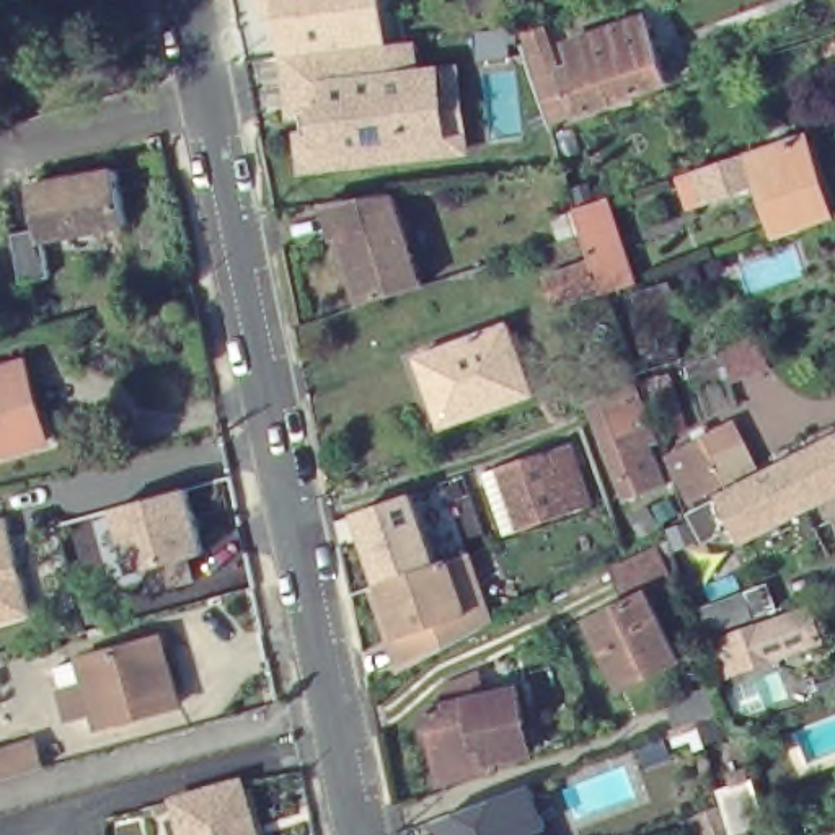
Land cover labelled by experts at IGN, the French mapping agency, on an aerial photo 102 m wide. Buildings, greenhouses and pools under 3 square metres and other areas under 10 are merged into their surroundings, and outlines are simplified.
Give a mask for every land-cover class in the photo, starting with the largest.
<instances>
[{"label":"building","instance_id":"1","mask_svg":"<svg viewBox=\"0 0 835 835\"><path fill-rule=\"evenodd\" d=\"M267 16L277 20V36L267 42L264 52H271V62L277 68L281 114L287 124H294V173L310 176L375 170L460 160L466 144L457 82L460 68H421L414 52V46L406 42L382 39L378 0H267ZM470 13L483 16L486 0H466ZM646 7H633L623 16L564 23L561 42H548L545 29L489 33H476L466 46L476 59L483 85L489 88L486 78L493 72H509L515 78V68L525 72L532 98L541 114V127L554 121L574 124L594 121L603 111L636 104L639 95L662 88V78L649 26L643 20ZM558 150L564 153H571V134L558 130ZM675 196L682 209H691L734 202L742 228H753L760 222L767 238H783L822 225L828 219V209H835V189L822 192L806 137H796L793 144H767L678 173ZM26 228L7 232L3 248L10 251L13 277L23 274L36 284H59L65 251H95L91 245H85V235L101 228H121V196L108 170L55 179H42V173H33L20 186ZM551 212L558 215L551 235L554 238H577L584 261L574 267L551 264L541 267L548 300H554L558 307H571L594 294H623L636 349L652 372L649 391H659L662 408L682 431L672 453L656 447L652 431L643 424V408L633 385L613 398L587 395L590 424L623 506L639 502V489L665 486L669 493L662 499L646 502L649 522L656 528L636 535L633 554L610 564L607 571L616 590L613 603L597 613H581L577 620L581 639L594 659V672L610 695L626 685H643L646 675L669 669L672 649L646 600V581L659 577L665 571L656 548L669 554H688L714 528L724 535L727 545H747L757 535H770L783 522H799L802 515L809 509L819 512L828 499H835V434L819 437L815 444L786 460L757 466L734 424L695 427L691 395L678 375L688 352L691 329L672 320V290L669 284L639 287L633 281L613 212L603 199H597L590 202L577 186H564L558 192V202H551ZM321 238L326 241V258L339 261L342 271L336 290L346 294L349 313L362 303L414 294L424 284L414 274L391 199L365 196L329 202L313 205ZM408 369L414 375L418 398L427 411L431 427L437 431L460 424L496 414L528 398V391L515 346L506 326H489L483 333L460 336L444 346L414 349L408 356ZM718 378L744 385L767 365V356L753 339L731 346L727 352H718ZM46 437L42 424L33 404L23 362L0 365V463L42 453ZM476 483L486 493L499 535L532 532L541 522H564L587 509V493L581 486L571 447H558L541 457L476 473ZM91 528L101 561L111 571V577L124 587L140 584L150 568L160 571L166 587L189 584V558L196 554L199 541L186 509V496L163 493L153 499L98 512ZM336 541L356 545L359 564L365 571V587L352 590V600L369 597L372 603L378 630V643L372 649L375 656H388L385 669L401 672L414 665L440 646L470 636L476 626L489 620V613L499 603L493 597V587L479 584L476 564L466 554L450 558L447 564L431 561L418 528L414 506L408 496H401L385 502L336 522ZM26 620V610L3 525L0 522V630L16 626ZM701 616L724 623L727 633H744L750 672H780L783 659L789 662L806 649H815V623L799 610L783 613L763 584H737L727 594H708ZM55 685H62L55 705L65 721L82 718L91 731H101L173 711L186 701L173 691L163 643L157 636H144L108 652L85 656L75 665H52ZM414 734L427 757L431 796H444L466 780L483 776L486 770L522 763L535 757V747L525 744L519 705L515 688L483 691L479 665L453 672L444 691L418 711ZM659 724H665L672 734L652 740L639 753V760L643 767H659L672 757L675 747L701 750H721L727 734L711 721V708L701 691L688 695L682 705H669L656 711ZM281 705L277 695L264 701L261 711L267 714ZM724 708L737 721L744 714L734 695L724 698ZM235 718L228 705L215 714L124 737L104 747H88L78 753H68L62 747L55 753V763L68 767L101 760L186 731L215 727ZM39 731L0 740V786L26 783L42 767L36 753ZM757 793L750 780H744L737 770L724 771V786L714 793L718 806L698 812L701 835H744V799ZM160 835H251L254 822L241 784L238 780L212 783L192 793L170 796L160 806ZM545 825L532 806L528 789H506V799L486 806H470L463 799L457 809L444 815L434 835H541Z\"/></svg>","mask_w":835,"mask_h":835},{"label":"impervious surface","instance_id":"2","mask_svg":"<svg viewBox=\"0 0 835 835\"><path fill-rule=\"evenodd\" d=\"M254 52L225 59L212 49L219 26L212 0H124L121 29L134 42H144L150 49L147 59H153L166 72V78L147 85V91L130 88L104 95L101 114L88 127H62L36 111L23 124L0 134V199L7 186H20L33 173H42L46 163H59L68 157L137 147L144 144L160 150L157 137L160 130H170V140L176 144V163L192 183L196 215L202 222L209 248L202 290L222 310L225 320V356H219L222 395L212 398V401L215 424L196 431L176 427L170 447H157L137 457L121 473H82L65 483L42 479L39 489H23L10 496V509L16 512L23 515L29 548L52 551L62 545L65 561L72 568H95L101 561L91 528L98 512L153 499L163 493L186 496V509L199 541L196 554L189 558V584L166 587L160 571L150 568L140 584L124 587L134 600V610L153 616L196 607L209 597L232 594V577H245L241 554L254 548L258 554H274L277 571L287 581L277 590H264L271 616L258 623L261 639L274 636L281 665L300 662L303 675L316 672V682L303 698L281 705L267 714L261 711L235 718L215 727L186 731L101 760L68 767L55 763L42 767L26 783L0 786V835H121L114 825L121 815H137L140 809L160 806L170 796L192 793L212 783L238 780L241 784L281 776H300V793H297L300 806H297V812L284 815L277 822H254L251 835H434L444 815L457 809L463 799L470 806H486L506 799V789H528L525 773H535L541 767L571 763L584 750L613 747L659 724L656 711L633 714L623 727L613 731L574 747L551 740L535 747V757L522 763L486 770L483 776L466 780L444 796H431L418 802L391 799L385 753L378 740L388 724H401L418 711L444 691L453 672L479 665H493L496 659H506L515 649V639L528 633L519 620L506 626L479 646H470L424 672L382 708H375L369 701V675L385 669L388 656H375L372 649H365L359 639L352 600V590L346 581V561L336 558V522L326 512V470L316 466L313 453L320 444L313 404L307 395V385L313 382L300 359L297 336L294 290L284 264V241L294 238V222L274 215L267 189L251 183L254 157L245 150L238 134V127L248 121L258 124V130H281L287 124L281 114L277 68L271 62V52H264L267 42L277 36V20L267 16V0H241ZM382 39L406 42L404 20L398 13V0H378ZM802 0H767L760 7L731 13V26H734L770 13H783L786 7H796ZM643 20L649 26L662 78H682L691 42L701 36H714L721 29L718 23H701L698 29H691L678 13L665 10L646 7ZM414 274L424 284H437L450 261L440 215L427 196H411L401 189L391 199ZM85 245H91L95 251H124L121 228H101L85 235ZM401 496H408L414 506L418 528L431 561L447 564L450 558L466 554L463 538L470 535L460 519H450V502L437 496V483L431 476L398 483ZM665 571H675L691 610L701 616L708 594L705 581H737L740 564L734 558V545H727L724 535L714 528L688 554H669L656 548ZM616 590L607 571L587 574L568 590H561L554 594V600L561 613H571L577 620L581 613H597L613 603ZM796 773L825 770L835 767V750L806 757L802 747H789V753Z\"/></svg>","mask_w":835,"mask_h":835},{"label":"herbaceous vegetation","instance_id":"3","mask_svg":"<svg viewBox=\"0 0 835 835\"><path fill-rule=\"evenodd\" d=\"M406 42L414 46V52L431 39H437L440 46H466L476 33H489L483 26V16L470 13L466 0H440L437 13L427 23L404 20ZM767 0H672V7L665 10L678 13L691 29H698L701 23H718L721 29L731 26V13L760 7ZM744 36L740 55L734 62L753 68L763 85V98L757 104H727V95L708 98L701 104L695 95L678 108L672 95L662 88L639 95L636 104L643 111L626 144L636 157H643L649 166L662 173L669 170V157L678 147V137H701L708 124L721 137L744 144L753 134V121L763 114L773 127L767 144H793L796 137H806L822 192L835 189V134L828 127L793 124L786 72L802 49L815 59L835 55V0H802L796 7H786L783 13H770L734 26ZM522 130L519 137L486 144H466L460 160H519L548 157L558 150V130L571 134L574 124L554 121L541 127V114L532 98L525 72L515 68V78ZM294 124H287L281 130H258L267 163V189L274 215L294 222V238H321L313 205L329 202L333 192L346 189V183L372 176L375 170L310 176L294 173ZM144 153L137 147L68 157L59 163H46L42 173V179H55L108 170L121 196V228H137L147 209V170L140 166ZM564 186H577L590 202L597 199V183L590 176H581V157L571 153H564L558 170L541 166L493 176L483 199H473L460 209L450 205L440 215L450 261L437 284H424L414 294L362 303L349 313H329L326 329L342 346L329 359H300L313 382L307 385V395L313 404L320 444L349 427V466L346 473L326 476V493L339 499L349 483H362L369 470L365 453L372 450L369 418L391 404L418 398L414 375L408 369V356L414 349L444 346L460 336L483 333L489 326H506L515 346L522 339L538 336L548 356L561 352V333L554 329V320H564L571 307H558L554 300H548L541 267L538 258L532 267L499 281L483 271V258L499 245L525 241L532 235H551L558 215L551 212V202H558V192ZM691 220V209H682L678 219L639 232L649 261H662V245L685 230ZM584 261L577 238H554L551 264L574 267ZM835 264V251L815 245L802 254L799 277L773 284L760 294L767 300H789L806 290H822ZM95 251H65L59 284H36L23 274L13 277L10 251L3 248H0V365L23 362V349L46 346L55 359V369L75 365L78 372H85L78 365L82 346L75 342V323H49V316L55 303H62V310H98L101 300L111 297L114 284L91 271ZM124 290L137 294L147 310H160L163 303H170L163 277L140 264V251H130L124 254ZM342 271L339 261L326 258L320 267H313L310 284L316 287V294L336 290ZM698 281H678L672 290V294L708 316L711 310H718L721 294L731 297L740 284L727 277H711L708 261H698ZM142 404L186 409L192 401H212V398L205 365L189 372L183 365V339H173L153 362L137 349L130 375L124 378ZM718 352H688L678 375L691 395L695 427L734 424L737 414H750L744 385L718 378ZM776 378L802 398L815 401L835 395V372L815 369L812 359H802L799 352L786 356L773 369ZM541 411V418L528 431H506L466 450V431L460 424L437 431L427 440V447L437 460H447V470L444 476H431L437 483V496L450 502V519H460L470 535L483 538L493 564L506 574H519L525 587L538 594L554 584L561 590H568L587 574L607 571L610 564L633 554L636 535L656 528L649 522L646 502L662 499L669 493L665 486L639 489V502L623 506L590 424L577 427L574 418H561L554 401L528 391V398ZM558 447H571L581 486L587 493V509L564 522H541L532 532L499 535L486 493L476 483V473L541 457ZM82 473L65 460L62 447L52 437H46L42 453L0 463V522L3 525L16 512L10 509V496L23 489H39L42 479L65 483ZM776 554L783 558V581L799 571H835V554L815 548L809 519L802 515L799 522H783L770 535H757L747 545H734V558L740 564ZM336 558L346 561V581L352 590L365 587V571L359 564L356 545L336 541ZM202 616L222 610L232 620V633L254 630V616L248 613L245 600V577H232V594L209 597L196 607ZM646 600L672 649L682 623L669 607L665 584L659 577L646 581ZM52 616L72 626L75 633L91 630L78 610V600L68 590H52ZM359 639L365 649H372L378 643V630L372 603L369 597L352 600ZM519 620L528 633L548 626L554 639L571 649L581 678V714L607 721L613 731L623 727L633 714L656 711L669 705V669L646 675L643 685H626L610 695L594 672V659L581 639L577 620L571 613H561L554 600L532 607ZM815 649L822 659L828 656L835 662V610H828L815 623ZM506 626L489 613V620L476 626L470 636L440 646L414 665L424 672L470 646H479ZM0 652H7L10 662L36 659L26 649V639L16 633V626L0 630ZM541 669L522 665L499 675L493 665H479L483 691L515 688L519 705L532 698V678ZM261 675H251L241 682L228 705L235 718L261 711L264 701ZM418 711L401 724H388L378 740L385 753L391 799L418 802L431 796L427 757L414 734ZM708 757L701 750L675 747L672 757L659 767H643L639 760L633 776V802L600 815L584 835H649V825L659 815L678 812L682 802L691 799L695 780H682V767H705ZM750 780L757 793L796 799L819 812L822 789L832 780V773L825 770L796 773L789 753L783 760L753 753Z\"/></svg>","mask_w":835,"mask_h":835},{"label":"deciduous trees","instance_id":"4","mask_svg":"<svg viewBox=\"0 0 835 835\"><path fill-rule=\"evenodd\" d=\"M124 0H0V134L23 124L36 111L62 127H88L101 114L104 95L130 88L147 91V85L166 78V72L153 59H147L150 49L144 42H134L121 29ZM440 0H398V13L404 20L427 23L437 13ZM633 7H646L665 10L672 7V0H486L483 16V26L489 33L545 29L548 42H561L564 23L623 16ZM744 36L734 26H731L721 29L714 36H701L691 42L682 78H662V88L672 95L678 108L695 95L701 104L708 98L727 95V104H757L763 98V85L753 68L734 62L740 55ZM793 124L828 127L835 134V55L815 59L802 49L786 72ZM643 111L636 104L603 111L594 121L574 124L571 134V153L581 157V176H590L597 183V199H603L613 212L633 281L639 287L669 284L672 290L678 281H698V261H708L711 277H727V267L747 258L776 254L786 248H799L802 254L815 245L835 251V209H828V219L822 225L783 238H767L760 222L753 228H742L734 202L691 209V220L685 230L662 245V261H649L639 232L678 219L682 209L675 196L678 173L767 144L773 127L763 114L753 121V134L744 144L721 137L708 124L701 137H678V147L669 157V170L662 173L649 166L643 157H636L626 144ZM137 147L144 153L140 166L147 170V209L137 228H121L124 251H95L91 271L114 284L111 297L101 300L98 310H62V303H55L49 316V323H75V342L82 346L78 365L85 372H95L111 382L124 378L130 375L137 349L153 362L173 339H183V365L189 372L205 365V342L196 320L186 271V228L166 183L160 150L144 144ZM130 251H140V264L163 277L170 303H163L160 310H147L137 294L124 290V254ZM493 176L470 173L457 179H440L427 196L440 215L450 205L460 209L473 199H483ZM26 228L20 186H7L0 199V248H3L7 232ZM538 258L541 267L551 264L554 238L551 235H532L525 241L499 245L483 258V271L499 281L532 267ZM672 320L691 329L688 352H727L731 346L753 339L767 356V365L773 369L786 356L799 352L802 359H812L815 369L835 372V264L822 290H806L789 300H767L760 294L740 284L731 297L721 294L718 310H711L708 316L672 294ZM554 329L561 333V352L548 356L538 336L522 339L515 346L528 391L554 401L561 418H574L577 427L590 424L587 395L613 398L633 385L643 408V424L652 431L656 447L672 453L682 431L662 408L659 391H649L652 372L636 349L623 294H594L571 307L564 320H554ZM342 346L326 329L323 333L320 326H307L297 336L300 359H329ZM46 437H52L62 447L65 460L82 473H121L137 457L127 450L121 418L108 398L75 401L72 411H59L52 421L42 424ZM372 450L365 453L369 470L362 483H369L385 502L401 496L398 483L431 476H444L447 470V460H437L427 447V440L437 431L431 427L427 411L418 398L391 404L369 418ZM541 418V411L528 398L496 414L460 424L466 431V450L506 431H528ZM313 453L316 466L326 470V476L346 473L349 466V427L320 444ZM802 515L809 519L815 548L835 554V499H828L819 512L809 509ZM737 584H763L783 613L799 610L815 623L828 610H835V571H799L783 581V558L776 554L740 564L737 581ZM52 590H68L78 600V610L91 630H104V636H114L134 623V600L124 587L111 577V571L101 561L95 568H72L65 561L52 577L39 581V600L26 610V620L16 626V633L26 639V649L36 659L68 646L75 633L72 626L52 616ZM554 594L561 590L554 584L538 594L525 587H519L515 597L499 603L489 613L506 626L519 620L532 607L554 600ZM727 633L724 623L701 616L698 623H682L672 649L669 669V705H682L688 695L701 691L721 688L724 698L734 695L731 678L724 675L721 662V646ZM522 665L541 669H548V678H558L561 685V708L551 740L574 747L613 731L607 721L581 714V678L571 649L554 639L548 626L528 633L515 639V649L506 659H496L493 665L499 675ZM424 672L414 665L401 672L385 669L369 675V701L375 708H382ZM740 727L727 734L721 750H701L708 757L705 767H682V780H695L691 799L682 802L678 812L659 815L649 825V835H701L698 812L718 806L714 793L724 786V771L737 770L744 780H750L753 753L783 760L789 753V747H796L793 737L806 727H789L786 714L776 708L744 714L737 721ZM825 770L832 773V780L822 789L819 812L796 799L757 793L744 799V835H835V767ZM297 793H300V776H281V812H284V815L297 812V806H300Z\"/></svg>","mask_w":835,"mask_h":835},{"label":"pervious surface","instance_id":"5","mask_svg":"<svg viewBox=\"0 0 835 835\"><path fill-rule=\"evenodd\" d=\"M219 26L212 49L225 59L254 52L241 0H212ZM421 68H460L457 82L466 144H486L483 101L489 98V88L483 85L476 59L466 46H440L437 39H431L414 52ZM238 134L245 150L254 157L251 183L267 189V163L258 130V124L248 121L238 127ZM160 150L166 183L186 228V271L196 320L205 342V365L212 398L222 395L219 356H225V320L222 310L202 290L209 248L202 222L196 215L192 183L176 163V144L170 140V130H160L157 137ZM33 404L42 424L52 421L59 411H72L75 401L108 398L121 418L127 450L137 457L157 447H170L176 427L196 431L215 424L212 401H192L186 409L142 404L124 378L111 382L95 372H78L75 365L55 369V359L46 346L23 349V362ZM750 414H737L734 424L757 466L786 460L815 444L819 437L835 434V395L815 401L802 398L776 378L773 369L767 365L744 385ZM385 502L369 483H349L339 499L326 493V512L336 522ZM26 610L39 600V581L52 577L65 561L62 545L52 551L29 548L23 515L16 512L3 525ZM466 554L476 564L479 584L493 587V597L499 603L515 597L519 587H525L519 574H506L493 564L483 538L470 535L463 538ZM245 577V600L248 613L254 616V630L232 633V620L222 610L202 616L196 607L153 616L134 610V623L114 636H104V630H91L75 633L68 646L36 659L10 662L7 652H0V740L39 731L36 753L42 767L55 763V753L62 747L68 753H78L88 747H104L124 737L215 714L228 705L241 682L251 675H261L264 701L277 695L281 705L303 698L316 682V672L303 675L300 662L281 665L274 636L261 639L258 623L271 616L264 590H277L287 581L277 571L274 554H258L254 548L241 554ZM144 636H157L163 643L173 691L186 701L173 711L101 731H91L82 718L65 721L55 705L62 685H55L52 665H75L85 656L108 652ZM721 662L724 675L731 678L737 672H750L744 633H727L721 646ZM786 682V698L780 705L815 701L835 691V662L828 656L822 659L815 649H806L789 662L783 659L780 672ZM561 708V685L558 678H548V669H541L532 678V698L519 705L525 744L535 747L551 740ZM528 789L532 806L545 825L541 835H574L564 796L545 789V783L535 773H525ZM254 822H277L284 815V812H281V776L241 784ZM160 806L140 809L137 815H121L114 825L121 835H160Z\"/></svg>","mask_w":835,"mask_h":835},{"label":"brushwood","instance_id":"6","mask_svg":"<svg viewBox=\"0 0 835 835\"><path fill-rule=\"evenodd\" d=\"M564 153L558 150L548 157L519 160H460L375 170L372 176L346 183V189L333 192L329 202L365 196L391 199L401 189L411 196H427L440 179H457L470 173L493 176L541 166L558 170ZM326 258V241L321 238H294L284 241V264L294 290L297 336L307 326H320L323 333L326 329L329 313H349L346 294L336 290L316 294V287L310 284L313 267H320ZM665 584L669 607L682 623H698L701 616L691 610L675 571H665L659 577ZM701 691L711 708V721L727 734L740 727L737 721L724 708V698L721 688ZM776 708L786 714L789 727H806L835 714V691L815 701L780 705ZM672 734L665 724H659L613 747L584 750L571 763L541 767L535 773L545 783V789L564 796L571 780L610 760H616L633 776L639 760V753L652 740Z\"/></svg>","mask_w":835,"mask_h":835},{"label":"swimming pool","instance_id":"7","mask_svg":"<svg viewBox=\"0 0 835 835\"><path fill-rule=\"evenodd\" d=\"M489 88V98L483 101L486 144L519 137L522 130L515 78L509 72H493L486 78ZM802 254L799 248H786L776 254L747 258L727 267V277L740 284L760 294L773 284L799 277ZM737 584V581H705L708 594H727ZM734 695L744 714L776 708L780 705L786 698V682L780 672H737L731 678ZM796 747H802L806 757L835 750V714L806 727L793 737ZM633 776L616 760H610L571 780L564 796L574 835H584L600 815L633 802Z\"/></svg>","mask_w":835,"mask_h":835}]
</instances>
